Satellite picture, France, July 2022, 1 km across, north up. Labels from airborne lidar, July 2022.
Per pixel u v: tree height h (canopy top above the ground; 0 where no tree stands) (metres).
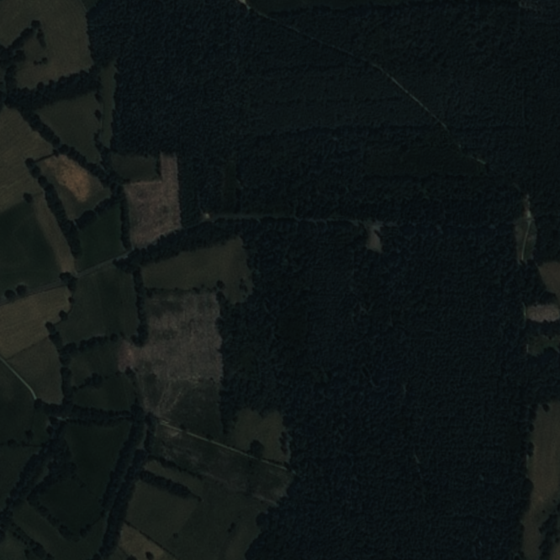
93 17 22
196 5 16
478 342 20
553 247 23
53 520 13
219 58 23
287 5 0
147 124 29
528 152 18
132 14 29
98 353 0
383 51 22
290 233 25
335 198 21
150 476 17
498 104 20
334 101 16
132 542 0
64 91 18
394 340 25
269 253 17
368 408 28
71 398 13
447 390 23
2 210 0
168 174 0
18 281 0
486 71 17
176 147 19
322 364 21
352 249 18
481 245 31
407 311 10
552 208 17
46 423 0
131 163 0
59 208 23
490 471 19
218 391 0
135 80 20
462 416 22
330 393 34
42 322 0
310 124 17
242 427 0
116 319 0
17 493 20
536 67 20
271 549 26
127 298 0
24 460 0
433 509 16
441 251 20
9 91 8
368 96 9
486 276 21
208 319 0
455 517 20
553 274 0
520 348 21
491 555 7
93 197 0
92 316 0
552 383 22
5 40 0
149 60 22
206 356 0
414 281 25
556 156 17
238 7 25
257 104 13
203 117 26
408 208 14
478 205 19
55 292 0
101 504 7
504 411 20
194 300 0
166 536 0
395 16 22
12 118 0
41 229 0
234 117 27
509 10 15
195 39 24
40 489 19
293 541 27
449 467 22
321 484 24
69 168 0
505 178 8
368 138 20
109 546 27
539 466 0
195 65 26
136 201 0
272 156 25
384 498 17
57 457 25
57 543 0
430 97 15
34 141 0
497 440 24
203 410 0
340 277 19
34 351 0
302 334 14
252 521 0
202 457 0
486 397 19
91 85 16
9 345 0
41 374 0
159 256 20
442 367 23
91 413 15
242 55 25
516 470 21
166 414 0
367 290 14
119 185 6
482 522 26
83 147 0
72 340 0
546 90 17
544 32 13
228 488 0
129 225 16
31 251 0
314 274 18
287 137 24
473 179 11
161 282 0
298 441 27
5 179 0
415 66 21
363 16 29
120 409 0
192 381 0
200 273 0
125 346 0
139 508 0
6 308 0
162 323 0
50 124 0
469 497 20
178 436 0
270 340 17
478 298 23
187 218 19
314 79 17
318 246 25
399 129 21
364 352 17
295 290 15
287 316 13
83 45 0
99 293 0
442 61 11
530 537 0
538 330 27
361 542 24
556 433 0
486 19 25
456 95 13
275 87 17
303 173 16
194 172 19
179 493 17
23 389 0
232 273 0
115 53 24
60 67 0
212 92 20
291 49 17
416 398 27
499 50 13
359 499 32
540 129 16
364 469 21
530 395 21
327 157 26
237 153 25
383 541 22
